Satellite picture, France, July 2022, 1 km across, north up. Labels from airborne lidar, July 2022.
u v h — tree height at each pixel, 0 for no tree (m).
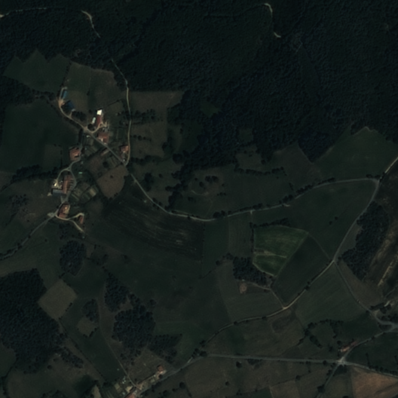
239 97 29
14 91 14
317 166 0
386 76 26
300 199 0
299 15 22
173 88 10
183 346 0
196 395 0
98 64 12
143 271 0
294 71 21
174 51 21
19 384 0
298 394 0
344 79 13
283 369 0
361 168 0
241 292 0
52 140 0
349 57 16
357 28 14
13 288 6
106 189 0
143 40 25
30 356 13
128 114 10
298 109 19
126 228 0
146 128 0
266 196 0
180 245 0
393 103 19
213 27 27
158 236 0
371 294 0
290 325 0
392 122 14
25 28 13
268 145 18
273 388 0
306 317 0
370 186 0
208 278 0
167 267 0
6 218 0
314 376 0
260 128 17
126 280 0
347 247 0
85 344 0
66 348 7
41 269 0
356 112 7
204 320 0
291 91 18
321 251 0
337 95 14
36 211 0
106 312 0
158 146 0
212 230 0
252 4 18
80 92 0
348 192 0
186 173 17
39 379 0
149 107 0
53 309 0
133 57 25
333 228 0
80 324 0
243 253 0
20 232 0
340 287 0
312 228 0
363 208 0
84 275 0
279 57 18
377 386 0
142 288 0
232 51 16
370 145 0
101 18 17
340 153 0
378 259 0
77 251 9
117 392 0
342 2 15
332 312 0
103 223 0
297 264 0
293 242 0
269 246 0
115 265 0
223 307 0
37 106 0
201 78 8
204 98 24
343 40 8
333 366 10
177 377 0
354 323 0
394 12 21
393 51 23
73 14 16
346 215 0
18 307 6
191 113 30
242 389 0
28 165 0
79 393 0
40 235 0
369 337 0
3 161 0
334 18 15
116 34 23
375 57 21
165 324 0
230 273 0
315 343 15
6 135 0
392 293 0
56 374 0
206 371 0
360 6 19
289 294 0
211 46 21
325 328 0
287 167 0
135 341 10
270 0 16
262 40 14
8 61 22
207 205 0
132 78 16
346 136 0
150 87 7
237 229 0
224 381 0
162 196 0
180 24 23
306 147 23
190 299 0
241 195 0
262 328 0
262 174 10
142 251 0
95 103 0
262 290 0
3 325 14
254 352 0
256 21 16
